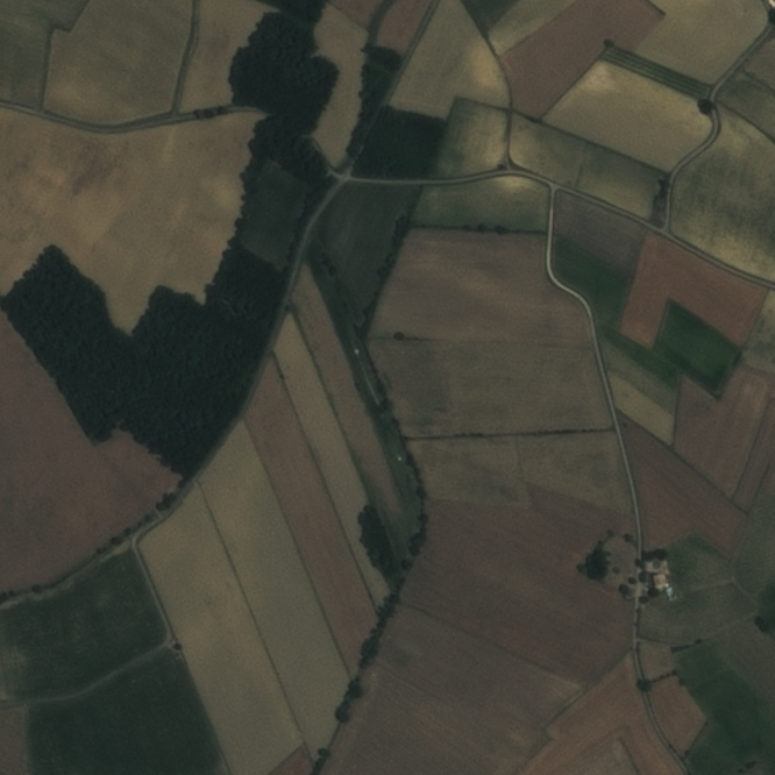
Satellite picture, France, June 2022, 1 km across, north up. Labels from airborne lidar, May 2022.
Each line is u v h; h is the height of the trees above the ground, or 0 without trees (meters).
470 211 0
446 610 0
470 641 0
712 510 0
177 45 0
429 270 0
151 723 0
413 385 0
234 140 0
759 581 0
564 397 0
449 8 0
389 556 12
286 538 0
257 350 12
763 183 0
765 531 0
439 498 0
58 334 16
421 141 12
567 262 0
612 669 0
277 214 0
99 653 0
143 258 0
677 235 0
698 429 0
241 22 0
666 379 0
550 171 0
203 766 0
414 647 0
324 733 0
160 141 0
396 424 11
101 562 0
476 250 0
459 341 0
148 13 0
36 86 0
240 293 22
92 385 16
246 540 0
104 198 0
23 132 0
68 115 0
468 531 0
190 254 0
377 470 0
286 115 20
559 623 0
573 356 0
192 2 0
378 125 11
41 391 0
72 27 0
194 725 0
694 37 0
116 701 0
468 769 0
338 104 0
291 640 0
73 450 0
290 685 0
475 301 0
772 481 0
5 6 0
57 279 17
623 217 0
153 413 22
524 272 0
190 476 12
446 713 0
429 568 0
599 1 0
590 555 7
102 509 0
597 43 0
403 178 8
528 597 0
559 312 0
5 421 0
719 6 0
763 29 0
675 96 0
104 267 0
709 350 0
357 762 0
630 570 0
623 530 0
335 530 0
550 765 0
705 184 0
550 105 0
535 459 0
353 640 0
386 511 0
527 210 0
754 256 0
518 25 0
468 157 0
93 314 13
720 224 0
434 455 0
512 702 0
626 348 0
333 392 0
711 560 0
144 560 0
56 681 0
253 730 0
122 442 0
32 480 0
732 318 0
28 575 0
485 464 0
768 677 0
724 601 0
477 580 0
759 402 0
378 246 0
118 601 0
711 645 0
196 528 0
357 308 0
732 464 0
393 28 0
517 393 0
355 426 0
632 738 0
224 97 0
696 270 0
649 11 0
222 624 0
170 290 11
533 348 0
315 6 18
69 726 0
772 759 0
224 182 0
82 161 0
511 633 0
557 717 0
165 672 0
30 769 0
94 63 0
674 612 0
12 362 0
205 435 15
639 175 0
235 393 15
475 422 0
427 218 0
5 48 0
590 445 0
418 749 0
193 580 0
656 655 0
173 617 0
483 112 0
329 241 0
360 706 0
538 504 0
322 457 0
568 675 0
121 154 0
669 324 0
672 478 0
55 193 0
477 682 0
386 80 15
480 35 0
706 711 0
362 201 0
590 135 0
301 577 0
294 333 0
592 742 0
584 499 0
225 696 0
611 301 0
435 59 0
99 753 0
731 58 0
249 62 20
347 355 0
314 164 19
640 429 0
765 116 0
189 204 0
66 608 0
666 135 0
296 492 0
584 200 0
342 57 0
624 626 0
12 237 0
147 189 0
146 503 0
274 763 0
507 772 0
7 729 0
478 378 0
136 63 0
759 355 0
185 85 0
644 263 0
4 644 0
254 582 0
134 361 18
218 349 22
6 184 0
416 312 0
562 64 0
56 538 0
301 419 0
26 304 18
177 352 19
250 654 0
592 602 0
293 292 0
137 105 0
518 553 0
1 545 0
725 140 0
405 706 0
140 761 0
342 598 0
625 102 0
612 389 0
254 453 0
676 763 0
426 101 0
